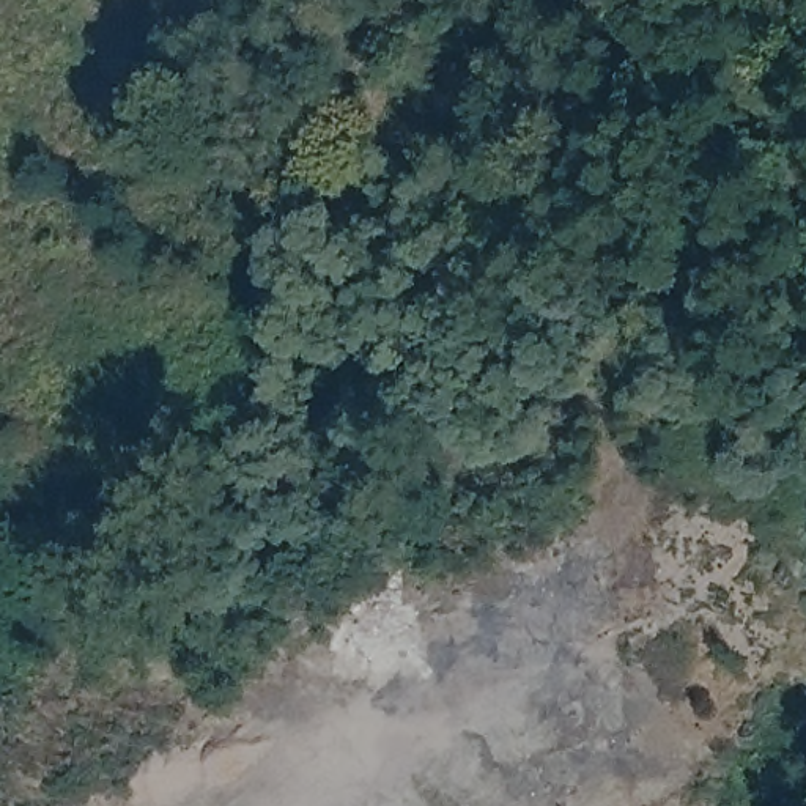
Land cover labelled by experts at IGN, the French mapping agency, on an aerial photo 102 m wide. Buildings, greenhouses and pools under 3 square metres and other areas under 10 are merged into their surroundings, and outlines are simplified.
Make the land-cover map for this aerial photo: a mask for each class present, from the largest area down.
<instances>
[{"label":"deciduous trees","instance_id":"1","mask_svg":"<svg viewBox=\"0 0 806 806\"><path fill-rule=\"evenodd\" d=\"M457 22H482L491 31L497 28L501 38L494 41V47L479 50L469 60V79L453 107L457 132L447 139L422 135L419 148L403 151L412 161V173L390 170L387 157L375 148L378 120L368 113L362 91H384L387 101L403 98L409 88L425 91L428 69L441 54V38ZM151 44L145 47L148 66L142 72H132L129 85L113 88V116L104 123H98L94 116L88 120L94 139L88 157L98 161L104 173V189L91 195V202H72V211L79 230L94 233L107 227L126 239L120 246L94 252L104 264L129 268V277L116 280V293H167L176 287V277L189 268L198 280L227 290L230 309H242L249 318H258L255 340H239L242 368L236 375L255 381L252 397L258 400L239 425H230L233 406L214 409L208 394H195L198 416L192 419V425H183L176 434L167 438V444L154 447L142 466V475L123 491H116L113 513L94 523L91 548L60 542L22 545L13 538L9 501H16L19 485H28V463L41 457L47 460L60 450V428L50 419L19 416H13L9 425L0 428V696L28 699V683L16 680V667L28 658L50 661L60 649H76V683L82 690L98 686L107 677V664L116 658L132 661V677L148 674V661H167L173 674L186 683L192 702L208 708L211 715H224L239 702L242 680L261 677L271 652L280 645L290 633L287 617L293 611L324 614L334 627L359 598L384 592L387 579L400 570L406 589L425 592L431 579H447L453 573H482L507 557L529 560L554 535H576V526L586 523L592 510L589 482L598 463L595 450L608 441H614V447L642 485L671 494L677 504L686 507V516H708L718 523L743 519L749 526V535L759 526L784 519H797L806 526V0H220L217 13H198L186 25L170 19L164 28H151ZM554 91L579 94L598 129L567 132L548 113L554 107ZM346 186L362 192L372 205L362 217H349V224L340 230L327 220V198H337ZM677 268L690 271V293L683 299L686 312L696 315V349L690 353H671L661 309L645 305L649 293H664L674 287ZM620 353H655L658 359L614 397V419H576V425L592 428V434L560 441V453L570 457V469L557 475L554 485H545L538 472H523V488L494 497L466 491L463 501L450 504V488L460 472L516 463L523 457H542L548 450L551 425H560L564 400L586 397L592 406H601L595 372L608 356ZM346 359L365 365L378 378V403L365 412H343L334 428L309 431L305 419L315 378L327 365L337 368ZM9 198L25 202L41 195H60L66 189V170L50 157L28 154L19 173H9Z\"/></svg>","mask_w":806,"mask_h":806},{"label":"pervious surface","instance_id":"2","mask_svg":"<svg viewBox=\"0 0 806 806\"><path fill-rule=\"evenodd\" d=\"M598 463L589 482L592 510L586 523L576 526V535H554L529 560L507 557L482 573H453L447 579H431L425 592L406 589L400 570L387 579L384 592L359 598L334 627L327 642L309 645L299 658H287V649L280 645L271 652L261 677L242 680L239 702L224 715H211L208 708L192 702L183 708L170 734V749L154 752L145 765H139V771L129 781L132 790L126 797L91 793L85 803L76 806H712L705 800L683 803V790L693 781L696 762L712 752V740L734 743L740 737V721L752 718V708H737V696L756 693L775 677L790 686L806 680V633L790 636V642H784V633L752 617L756 611L768 608V598L759 589H752V582L737 579L746 560L749 535V526L743 519L718 523L708 516H686V507L677 504L671 494L642 485L614 447V441H608L595 450ZM693 617H705V623L715 627L718 636L734 652H740L746 664V674L734 680L724 667H718L708 658L705 642L693 649L690 674L693 683L702 686L712 699L708 718H699L690 702L661 699L642 664H620L617 658L620 633L642 630L645 636H655L658 630H667L677 620Z\"/></svg>","mask_w":806,"mask_h":806},{"label":"brushwood","instance_id":"3","mask_svg":"<svg viewBox=\"0 0 806 806\"><path fill-rule=\"evenodd\" d=\"M220 0H0V428L9 425L13 416H19L50 419L60 428V450L47 460L41 457L28 463V485H19L16 501H9L13 538L22 545L60 542L91 548L94 523L113 513L116 491H123L142 475V466L154 447L167 444V438L176 434L183 425H192V419L198 416L195 394H208L224 375H236L242 368L239 340H255L258 318H249L242 309H230L227 290L198 280L189 268L176 277V287L167 293H116V280L129 277V268L104 264L94 252L120 246L126 239L107 227L94 233L79 230L72 211V202H91V195L104 189V173L98 161L88 157L94 139L88 120L94 116L98 123H104L113 116V88L129 85L132 72H142L148 66L145 47L151 44V28H164L170 19L186 25L198 13H217ZM28 154L50 157L66 170V189L60 195H41L25 202L9 198V173H19ZM737 579L752 582V589H759L768 598V608L756 611L752 617L784 633V642H790V636L806 633V526L797 519H784L759 526L749 535L746 560ZM705 642L708 658L718 667H724L734 680L746 674V664L740 652H734L718 636L715 627L705 623V617H693L677 620L667 630H658L655 636H645L642 630L620 633L617 658L620 664H642L661 699L690 702L699 718H708L712 699L702 686L693 683L690 674L693 649ZM132 661L116 658L107 664V677L98 686L82 690L76 683V649H60L50 661L28 658L16 667V680L28 683V699L0 696V806H76L85 803L91 793L126 797L132 790L129 781L139 771V765H145L154 752L170 749V734L183 708L179 702L151 705L154 693L148 690V674L132 677ZM790 686L775 677L756 693L737 696V708H752V718L740 721V737L734 743L712 740V752L696 762L693 781L683 790V803L705 800L712 806H756L778 784H797L806 768V759L793 743L797 734L781 721V702Z\"/></svg>","mask_w":806,"mask_h":806},{"label":"herbaceous vegetation","instance_id":"4","mask_svg":"<svg viewBox=\"0 0 806 806\"><path fill-rule=\"evenodd\" d=\"M501 38L497 28L491 31L482 22H457L441 38V54L428 69L425 91L409 88L403 98L387 101L384 91H362L368 113L378 120L375 148L387 157L390 170L412 173V161L403 151L419 148L422 135L447 139L457 132L453 107L469 79V60L479 50L494 47V41ZM548 113L567 132L598 129L579 94L554 91V107ZM372 205L362 192L346 186L337 198H327V220L340 230L349 224V217H362ZM690 293V271L677 268L674 287L664 293H649L645 305L661 309L671 353H690L696 349V315L686 312L683 299ZM658 359L655 353H620L608 356L595 372L601 406H592L586 397L564 400L560 425H551L548 450L542 457H523L516 463L460 472L450 488V504L463 501L466 491L494 497L523 488V472H538L545 485H554L557 475L570 469V457L560 453V441L592 434V428L576 425V419H614V397ZM378 403V378L365 365L346 359L337 368L327 365L315 378L305 419L309 431L334 428L343 412H365ZM255 381L236 375H224L208 394L214 409L233 406L230 425H239L258 400L252 397ZM290 633L280 645L287 649V658H299L309 645L327 642L334 627L324 614L293 611L287 617ZM148 690L154 693L151 705L179 702L183 708L192 702L186 683L173 674L167 661H148ZM781 721L797 734L793 743L806 759V680L790 686L781 702ZM756 806H806V768L797 784H778Z\"/></svg>","mask_w":806,"mask_h":806}]
</instances>
